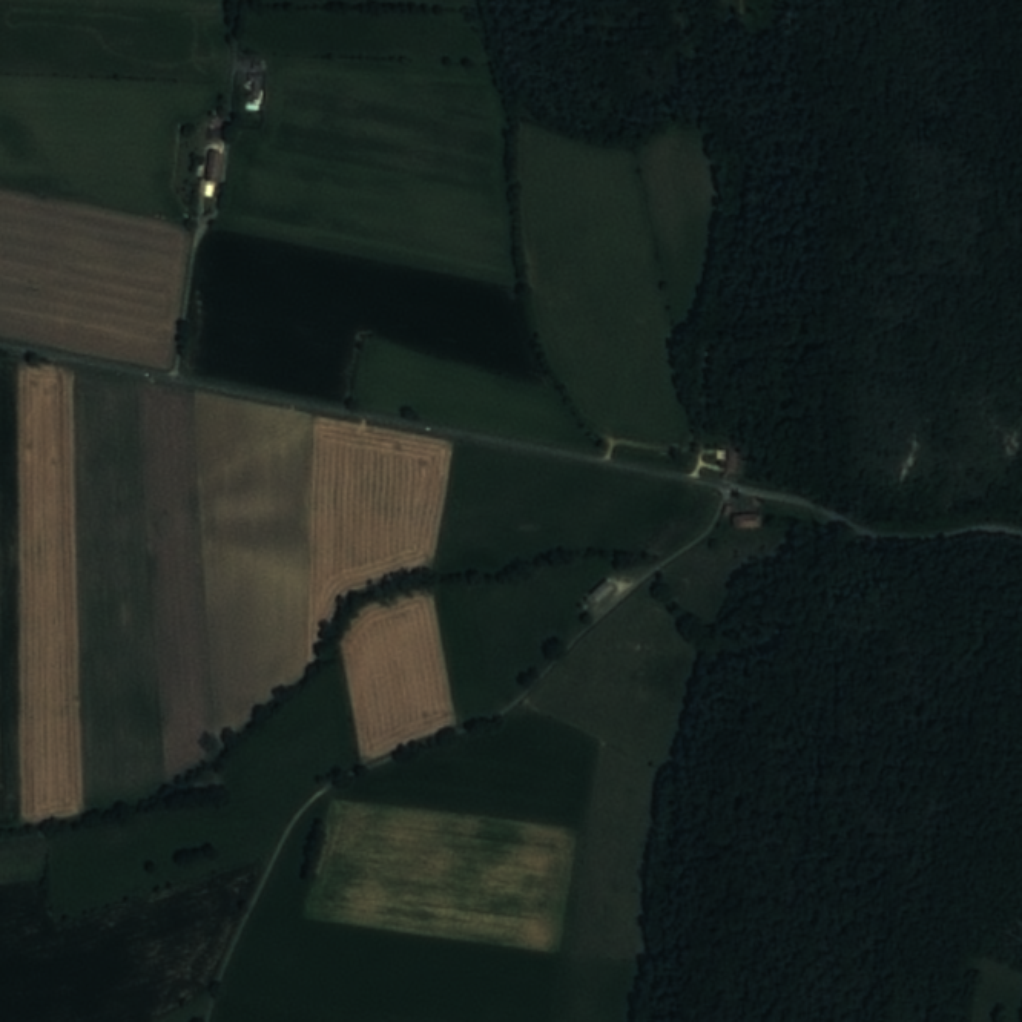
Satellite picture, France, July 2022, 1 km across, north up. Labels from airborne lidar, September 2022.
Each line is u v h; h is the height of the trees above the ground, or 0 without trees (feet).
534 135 0
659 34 44
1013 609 43
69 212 0
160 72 0
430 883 0
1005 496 66
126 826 58
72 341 0
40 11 0
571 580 0
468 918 0
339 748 0
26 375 0
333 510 0
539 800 0
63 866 0
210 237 0
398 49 0
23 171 0
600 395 0
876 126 52
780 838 46
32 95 0
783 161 98
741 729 57
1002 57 62
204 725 0
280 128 0
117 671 0
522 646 0
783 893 28
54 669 0
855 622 24
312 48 0
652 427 0
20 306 0
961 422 34
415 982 0
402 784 0
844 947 43
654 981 56
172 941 0
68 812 0
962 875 40
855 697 48
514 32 86
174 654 0
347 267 0
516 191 39
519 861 0
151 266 0
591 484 0
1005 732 44
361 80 0
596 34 81
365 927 0
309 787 0
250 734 30
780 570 68
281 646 0
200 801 67
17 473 0
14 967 0
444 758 0
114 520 0
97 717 0
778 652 66
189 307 0
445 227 0
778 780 56
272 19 0
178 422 0
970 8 50
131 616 0
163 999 0
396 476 0
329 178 0
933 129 54
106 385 0
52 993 0
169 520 0
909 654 21
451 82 0
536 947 0
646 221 0
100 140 0
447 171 0
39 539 0
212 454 0
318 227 0
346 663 0
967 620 41
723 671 96
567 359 0
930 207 20
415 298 0
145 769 0
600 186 0
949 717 27
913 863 32
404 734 0
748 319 48
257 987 0
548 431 0
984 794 31
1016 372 28
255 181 0
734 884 62
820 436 50
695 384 61
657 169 0
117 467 0
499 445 0
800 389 65
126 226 0
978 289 28
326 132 0
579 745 0
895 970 47
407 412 44
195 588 0
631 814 0
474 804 0
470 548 0
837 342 52
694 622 68
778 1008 40
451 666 0
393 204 0
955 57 28
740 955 42
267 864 0
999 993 0
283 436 0
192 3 0
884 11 40
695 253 0
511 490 0
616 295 0
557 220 0
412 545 0
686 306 0
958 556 58
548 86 59
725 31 64
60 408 0
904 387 18
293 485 0
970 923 41
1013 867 40
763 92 104
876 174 47
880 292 20
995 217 25
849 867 39
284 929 0
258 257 0
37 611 0
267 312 0
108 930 0
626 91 42
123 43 0
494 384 0
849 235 67
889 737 39
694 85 82
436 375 0
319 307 0
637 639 0
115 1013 0
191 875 0
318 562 0
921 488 44
